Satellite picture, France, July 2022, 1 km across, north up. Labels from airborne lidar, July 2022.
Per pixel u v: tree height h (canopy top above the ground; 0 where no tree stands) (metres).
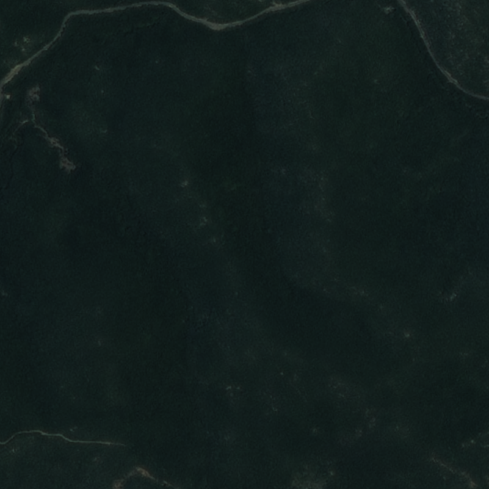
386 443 5
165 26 7
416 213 8
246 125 8
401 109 7
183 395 8
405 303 6
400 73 8
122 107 8
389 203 6
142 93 6
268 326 7
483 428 10
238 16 6
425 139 5
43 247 7
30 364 12
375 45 7
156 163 6
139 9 6
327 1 8
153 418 9
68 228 10
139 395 9
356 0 6
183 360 8
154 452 10
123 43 8
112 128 6
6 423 6
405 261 7
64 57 13
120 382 8
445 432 10
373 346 7
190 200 6
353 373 6
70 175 9
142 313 7
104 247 9
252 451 6
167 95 6
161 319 10
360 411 5
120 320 9
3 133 10
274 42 6
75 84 11
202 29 8
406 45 7
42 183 8
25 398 9
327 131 6
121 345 8
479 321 7
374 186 6
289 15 6
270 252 11
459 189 11
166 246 11
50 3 9
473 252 7
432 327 6
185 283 8
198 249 6
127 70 8
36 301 8
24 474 6
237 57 8
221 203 9
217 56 6
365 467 7
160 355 9
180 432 10
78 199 8
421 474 6
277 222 9
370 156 7
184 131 7
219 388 6
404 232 8
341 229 6
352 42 6
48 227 6
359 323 10
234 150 8
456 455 6
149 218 7
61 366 5
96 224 8
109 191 8
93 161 6
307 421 6
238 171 7
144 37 7
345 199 7
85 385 7
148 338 8
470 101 11
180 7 6
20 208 8
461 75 6
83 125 6
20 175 8
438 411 9
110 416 7
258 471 7
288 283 12
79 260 9
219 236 7
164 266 12
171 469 8
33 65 8
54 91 6
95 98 7
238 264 6
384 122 7
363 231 6
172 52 7
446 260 6
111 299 6
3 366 10
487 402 9
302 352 6
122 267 8
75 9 9
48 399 7
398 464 6
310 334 7
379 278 7
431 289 8
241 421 6
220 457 6
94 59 7
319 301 8
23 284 8
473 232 7
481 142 6
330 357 5
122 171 9
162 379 10
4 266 8
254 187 10
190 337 6
